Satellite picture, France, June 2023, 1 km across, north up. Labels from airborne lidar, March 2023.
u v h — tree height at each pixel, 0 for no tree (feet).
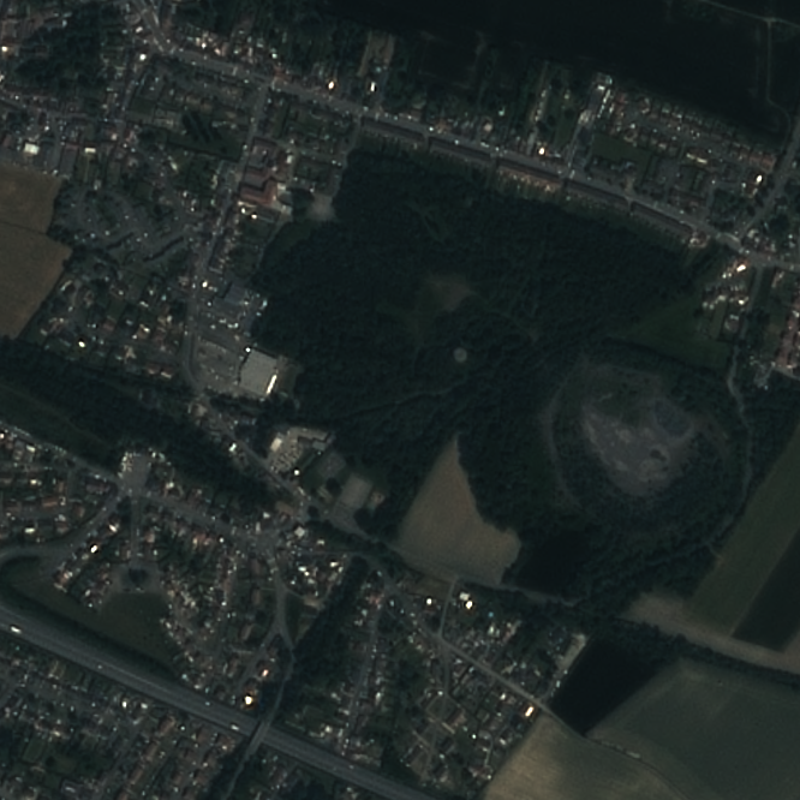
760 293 0
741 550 0
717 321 0
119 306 0
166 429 46
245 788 27
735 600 0
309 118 0
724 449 0
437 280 0
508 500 36
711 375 30
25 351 35
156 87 0
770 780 0
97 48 42
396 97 31
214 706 0
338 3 0
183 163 0
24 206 0
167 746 0
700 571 43
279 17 41
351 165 32
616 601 42
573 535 0
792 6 0
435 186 49
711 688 0
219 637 0
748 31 0
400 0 0
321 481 0
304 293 42
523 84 36
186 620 0
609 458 0
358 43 19
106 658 0
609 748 0
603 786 0
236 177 0
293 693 65
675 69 0
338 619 32
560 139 0
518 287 31
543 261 24
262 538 0
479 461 39
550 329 34
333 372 42
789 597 0
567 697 0
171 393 40
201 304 0
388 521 21
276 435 0
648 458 0
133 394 0
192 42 0
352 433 32
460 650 0
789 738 0
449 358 23
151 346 0
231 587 0
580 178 0
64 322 0
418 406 25
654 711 0
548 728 0
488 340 24
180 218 0
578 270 54
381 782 0
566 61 0
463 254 33
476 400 21
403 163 42
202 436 48
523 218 55
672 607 0
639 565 25
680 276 37
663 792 0
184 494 0
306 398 28
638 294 42
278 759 0
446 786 0
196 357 0
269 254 33
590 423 0
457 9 0
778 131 0
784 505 0
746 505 18
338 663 23
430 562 0
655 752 0
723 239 0
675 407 0
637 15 0
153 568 0
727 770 0
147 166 21
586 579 24
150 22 0
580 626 28
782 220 40
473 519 0
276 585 0
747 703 0
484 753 0
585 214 0
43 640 0
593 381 0
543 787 0
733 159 0
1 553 0
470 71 0
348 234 43
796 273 0
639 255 63
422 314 0
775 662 0
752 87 0
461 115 0
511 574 34
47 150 0
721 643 0
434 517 0
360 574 42
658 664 40
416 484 28
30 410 0
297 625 0
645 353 43
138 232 0
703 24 0
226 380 0
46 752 0
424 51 0
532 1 0
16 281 0
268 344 42
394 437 45
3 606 0
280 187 0
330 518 0
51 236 24
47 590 0
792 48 0
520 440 18
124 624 0
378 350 21
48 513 0
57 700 0
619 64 0
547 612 25
